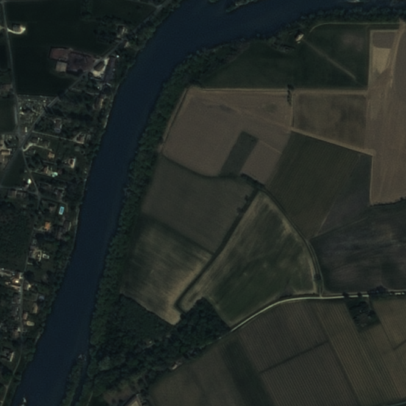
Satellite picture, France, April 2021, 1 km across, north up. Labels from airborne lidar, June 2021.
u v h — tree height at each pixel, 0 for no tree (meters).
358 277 0
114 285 16
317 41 0
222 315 0
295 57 0
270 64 0
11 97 14
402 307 0
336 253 0
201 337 21
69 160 0
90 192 0
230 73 0
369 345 0
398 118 0
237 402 0
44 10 0
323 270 0
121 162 0
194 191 0
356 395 0
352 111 0
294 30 0
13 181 0
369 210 0
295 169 0
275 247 0
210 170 0
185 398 0
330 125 0
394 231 0
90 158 8
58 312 0
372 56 0
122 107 0
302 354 0
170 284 0
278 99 0
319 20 16
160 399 0
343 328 0
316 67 0
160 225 0
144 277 0
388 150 0
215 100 0
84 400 11
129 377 22
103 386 20
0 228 5
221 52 0
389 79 0
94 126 9
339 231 0
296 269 0
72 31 0
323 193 0
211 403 0
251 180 11
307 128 0
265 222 0
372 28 0
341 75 0
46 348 0
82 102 28
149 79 0
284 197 0
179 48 0
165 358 12
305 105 0
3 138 0
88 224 0
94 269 0
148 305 0
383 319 0
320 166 0
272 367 0
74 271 0
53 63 0
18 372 0
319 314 0
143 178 17
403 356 0
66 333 0
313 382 0
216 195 0
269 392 0
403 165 0
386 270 0
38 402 0
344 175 0
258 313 0
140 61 0
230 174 0
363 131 0
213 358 0
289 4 0
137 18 0
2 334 24
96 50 0
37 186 6
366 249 0
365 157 0
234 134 0
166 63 0
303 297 0
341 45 0
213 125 0
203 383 0
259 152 0
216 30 0
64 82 0
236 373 0
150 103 0
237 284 0
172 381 0
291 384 0
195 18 0
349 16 12
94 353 14
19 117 0
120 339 18
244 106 0
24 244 6
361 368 0
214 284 0
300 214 0
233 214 0
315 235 0
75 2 0
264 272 0
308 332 0
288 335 0
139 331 14
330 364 0
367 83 0
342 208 0
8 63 0
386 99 0
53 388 0
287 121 0
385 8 13
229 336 22
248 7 0
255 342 0
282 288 0
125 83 0
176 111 0
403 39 0
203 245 0
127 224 16
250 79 0
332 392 0
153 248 0
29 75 0
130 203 15
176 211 0
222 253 0
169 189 0
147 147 12
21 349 21
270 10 0
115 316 21
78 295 0
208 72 8
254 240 0
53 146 0
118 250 16
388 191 0
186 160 0
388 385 0
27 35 0
